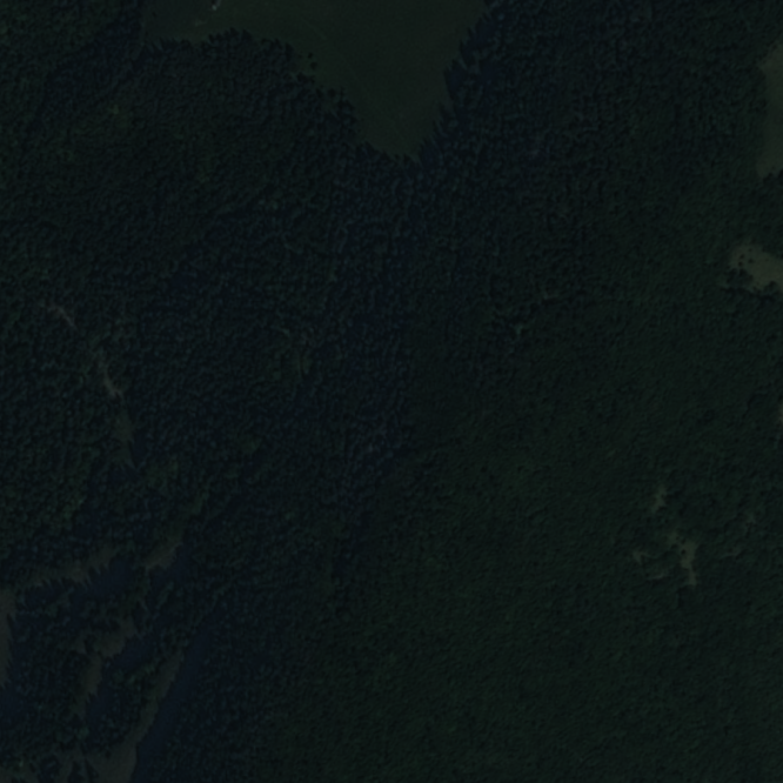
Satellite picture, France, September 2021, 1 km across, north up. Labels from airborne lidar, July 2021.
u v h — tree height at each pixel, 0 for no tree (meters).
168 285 10
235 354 28
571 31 19
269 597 32
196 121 19
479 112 17
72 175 15
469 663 21
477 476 17
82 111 14
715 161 21
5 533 22
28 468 21
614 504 16
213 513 24
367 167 26
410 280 23
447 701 13
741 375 19
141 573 22
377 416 28
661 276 14
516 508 18
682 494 20
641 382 14
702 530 15
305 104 24
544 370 20
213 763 24
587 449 20
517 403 22
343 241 25
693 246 17
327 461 25
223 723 31
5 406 30
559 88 17
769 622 15
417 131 0
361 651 25
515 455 17
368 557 22
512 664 19
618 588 19
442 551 17
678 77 24
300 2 0
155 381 26
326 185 21
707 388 19
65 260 29
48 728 28
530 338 16
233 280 23
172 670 0
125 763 0
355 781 21
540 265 22
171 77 24
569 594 22
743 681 19
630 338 17
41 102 21
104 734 20
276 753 21
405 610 17
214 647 29
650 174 26
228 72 29
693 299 23
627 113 15
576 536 18
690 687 17
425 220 15
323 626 26
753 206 20
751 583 23
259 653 27
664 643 23
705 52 24
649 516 9
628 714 26
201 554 22
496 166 23
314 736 20
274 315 26
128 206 22
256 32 0
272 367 20
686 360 19
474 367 25
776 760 17
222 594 23
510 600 20
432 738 20
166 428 27
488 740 14
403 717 21
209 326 13
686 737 20
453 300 19
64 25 16
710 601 14
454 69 0
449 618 22
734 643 25
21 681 19
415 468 15
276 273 22
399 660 17
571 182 21
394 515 15
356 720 16
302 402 27
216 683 26
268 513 39
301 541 29
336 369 22
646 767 19
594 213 22
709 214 17
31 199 17
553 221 25
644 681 15
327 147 27
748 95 30
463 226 19
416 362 24
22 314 28
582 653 20
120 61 30
